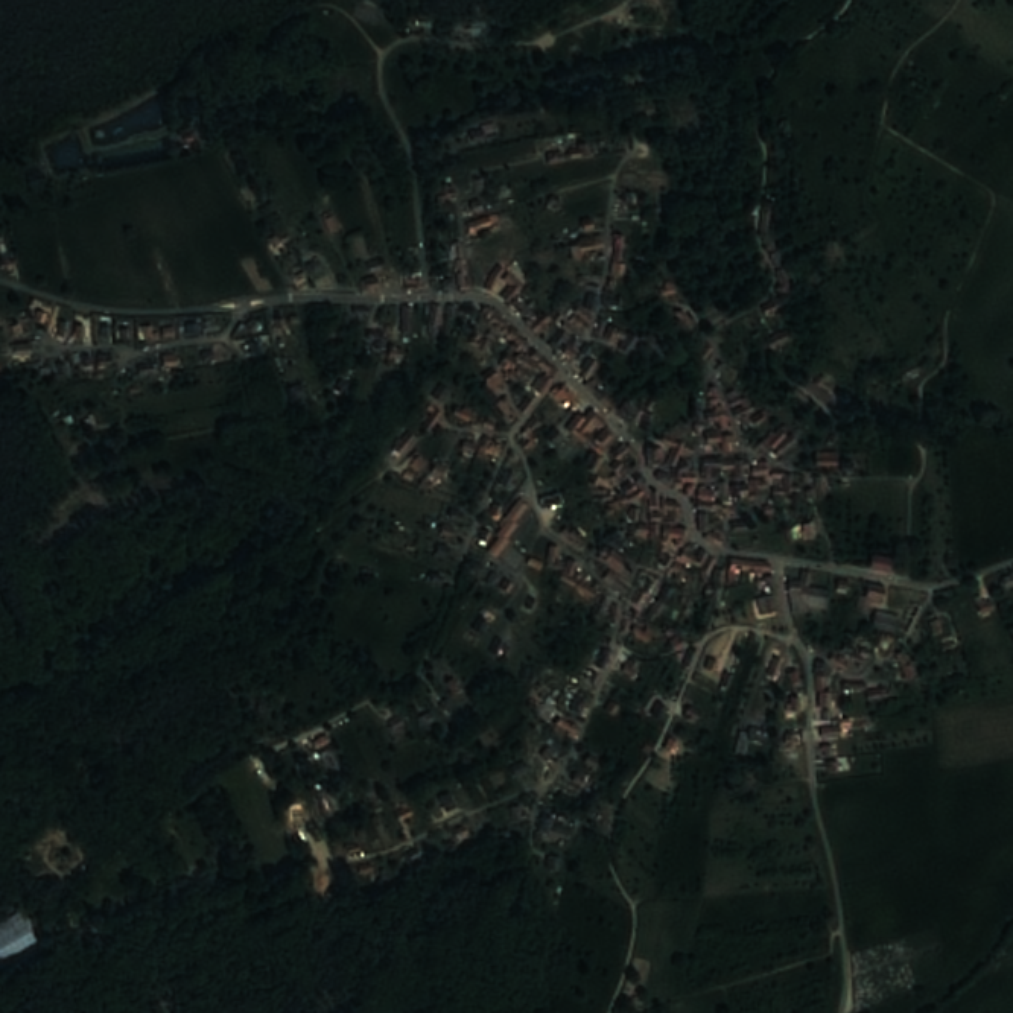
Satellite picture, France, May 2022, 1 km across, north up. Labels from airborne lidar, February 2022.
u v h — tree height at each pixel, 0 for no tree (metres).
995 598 8
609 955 0
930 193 5
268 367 9
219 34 18
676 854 0
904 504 0
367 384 0
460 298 0
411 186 8
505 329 0
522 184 0
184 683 25
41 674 29
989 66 0
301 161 0
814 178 0
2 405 21
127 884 16
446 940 24
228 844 24
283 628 26
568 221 0
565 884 0
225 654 26
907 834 0
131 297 0
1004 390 0
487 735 0
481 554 0
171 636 25
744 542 0
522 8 24
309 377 0
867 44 0
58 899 16
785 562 0
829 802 0
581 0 11
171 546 28
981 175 0
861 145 0
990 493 0
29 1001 29
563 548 0
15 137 7
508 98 24
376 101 0
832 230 6
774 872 7
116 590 23
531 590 0
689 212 23
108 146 0
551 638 9
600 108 17
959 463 0
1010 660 0
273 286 0
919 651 10
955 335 0
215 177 0
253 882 15
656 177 0
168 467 14
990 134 0
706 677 0
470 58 12
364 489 0
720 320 0
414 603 0
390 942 25
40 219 0
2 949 0
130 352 0
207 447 0
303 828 0
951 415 18
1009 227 0
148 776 21
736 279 20
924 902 0
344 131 15
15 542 27
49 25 17
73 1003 25
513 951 28
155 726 23
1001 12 0
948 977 0
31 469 22
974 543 0
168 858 23
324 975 27
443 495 0
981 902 0
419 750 0
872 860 0
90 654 24
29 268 0
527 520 0
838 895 0
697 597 0
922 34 0
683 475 0
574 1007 0
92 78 17
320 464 22
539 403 0
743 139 25
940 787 0
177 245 0
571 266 0
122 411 0
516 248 0
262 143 0
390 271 0
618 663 0
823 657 0
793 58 16
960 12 0
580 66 21
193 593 24
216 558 19
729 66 22
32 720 24
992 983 0
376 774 0
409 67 19
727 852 7
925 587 0
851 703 11
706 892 0
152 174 0
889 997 0
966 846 0
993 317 0
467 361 11
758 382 19
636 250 0
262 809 0
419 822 0
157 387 8
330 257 0
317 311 11
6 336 0
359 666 19
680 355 16
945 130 0
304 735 0
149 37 16
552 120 0
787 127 9
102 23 20
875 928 0
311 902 28
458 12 13
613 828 7
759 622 0
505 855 20
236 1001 26
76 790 23
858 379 11
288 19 21
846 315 0
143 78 16
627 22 0
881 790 0
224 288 0
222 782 0
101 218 0
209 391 0
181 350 0
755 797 12
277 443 22
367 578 14
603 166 0
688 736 8
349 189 6
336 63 30
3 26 17
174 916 24
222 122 32
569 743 6
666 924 0
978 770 0
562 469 0
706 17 19
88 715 30
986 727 0
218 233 0
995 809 0
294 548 24
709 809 0
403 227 0
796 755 0
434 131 16
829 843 0
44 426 21
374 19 0
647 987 0
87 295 0
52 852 0
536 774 0
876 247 0
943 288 7
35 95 10
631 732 6
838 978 0
